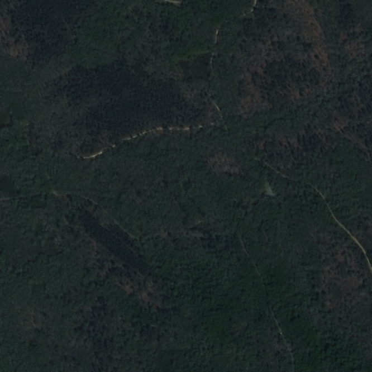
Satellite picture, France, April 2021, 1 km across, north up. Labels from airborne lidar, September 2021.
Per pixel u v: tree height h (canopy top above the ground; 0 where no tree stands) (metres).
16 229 17
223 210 17
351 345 11
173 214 22
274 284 12
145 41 9
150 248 16
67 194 12
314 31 10
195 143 23
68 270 23
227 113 23
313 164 17
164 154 22
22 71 19
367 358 13
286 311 19
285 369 11
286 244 25
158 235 15
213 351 17
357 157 20
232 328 13
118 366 11
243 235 17
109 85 12
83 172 19
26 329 19
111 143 15
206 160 15
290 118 21
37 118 18
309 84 20
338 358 21
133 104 12
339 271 9
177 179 18
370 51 23
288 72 23
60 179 19
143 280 10
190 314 16
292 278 16
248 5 10
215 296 20
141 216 20
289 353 15
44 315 14
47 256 13
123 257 15
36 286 13
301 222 11
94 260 11
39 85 16
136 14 17
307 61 10
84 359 12
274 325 14
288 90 24
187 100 11
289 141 13
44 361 21
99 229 17
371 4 13
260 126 21
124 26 22
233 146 23
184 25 23
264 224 19
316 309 24
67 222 12
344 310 11
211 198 22
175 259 22
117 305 20
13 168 18
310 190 21
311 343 17
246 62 7
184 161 21
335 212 9
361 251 8
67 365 21
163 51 17
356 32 8
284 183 12
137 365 10
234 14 22
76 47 21
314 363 14
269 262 19
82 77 11
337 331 14
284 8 13
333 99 18
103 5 15
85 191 18
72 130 9
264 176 27
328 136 12
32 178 29
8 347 27
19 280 23
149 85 11
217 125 24
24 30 6
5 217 16
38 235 10
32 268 17
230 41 14
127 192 11
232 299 15
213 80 15
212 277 7
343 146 20
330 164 18
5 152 21
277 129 22
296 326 18
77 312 13
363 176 20
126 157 21
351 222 12
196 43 17
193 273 20
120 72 13
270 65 15
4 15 13
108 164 22
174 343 17
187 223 16
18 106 16
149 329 18
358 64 16
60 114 12
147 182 18
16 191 7
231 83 18
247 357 18
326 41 13
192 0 19
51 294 21
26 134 12
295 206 14
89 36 23
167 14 20
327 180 18
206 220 19
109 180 16
